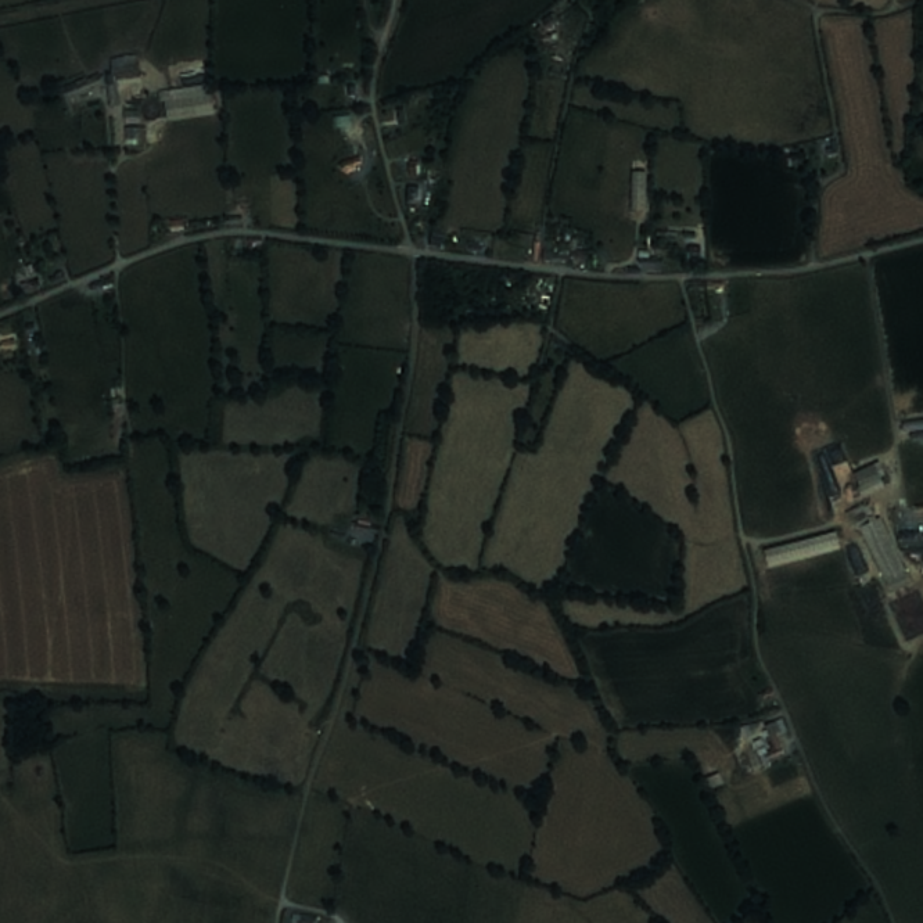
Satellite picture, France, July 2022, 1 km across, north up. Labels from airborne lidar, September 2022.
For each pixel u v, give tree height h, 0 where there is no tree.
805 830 0
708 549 0
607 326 0
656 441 0
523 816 0
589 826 0
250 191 0
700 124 0
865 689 0
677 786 0
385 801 0
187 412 0
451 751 0
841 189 0
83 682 0
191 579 0
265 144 0
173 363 0
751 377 0
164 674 0
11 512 0
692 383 0
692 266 16
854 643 0
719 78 0
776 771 0
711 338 0
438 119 9
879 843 0
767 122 0
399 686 0
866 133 0
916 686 0
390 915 0
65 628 0
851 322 0
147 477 0
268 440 0
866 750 0
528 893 0
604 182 0
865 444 0
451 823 0
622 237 0
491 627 0
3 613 0
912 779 0
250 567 6
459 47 0
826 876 0
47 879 0
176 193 0
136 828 0
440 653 0
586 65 0
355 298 0
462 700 0
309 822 0
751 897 18
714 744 0
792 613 0
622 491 16
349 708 0
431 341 0
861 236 0
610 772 0
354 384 0
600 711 13
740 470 0
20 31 0
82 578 0
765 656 0
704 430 0
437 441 11
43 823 0
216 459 0
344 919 0
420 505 9
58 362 0
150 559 0
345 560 0
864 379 0
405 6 8
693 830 0
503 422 0
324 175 0
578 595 14
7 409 0
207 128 0
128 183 0
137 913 0
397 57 0
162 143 0
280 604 0
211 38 12
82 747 0
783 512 0
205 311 7
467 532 0
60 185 0
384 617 0
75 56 0
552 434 0
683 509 0
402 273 0
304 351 0
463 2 0
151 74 0
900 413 0
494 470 0
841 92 0
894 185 0
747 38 0
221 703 0
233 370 15
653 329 0
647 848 0
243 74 0
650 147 15
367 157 0
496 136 0
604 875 0
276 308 0
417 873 0
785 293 0
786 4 0
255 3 0
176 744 0
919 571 0
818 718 0
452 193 0
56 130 0
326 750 0
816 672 0
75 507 0
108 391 0
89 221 0
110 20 0
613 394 0
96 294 0
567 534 0
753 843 0
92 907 0
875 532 0
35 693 14
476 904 0
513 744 0
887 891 0
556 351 5
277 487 0
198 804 0
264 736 0
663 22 0
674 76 0
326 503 0
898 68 0
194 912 0
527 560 0
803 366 0
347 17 0
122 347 0
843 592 0
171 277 0
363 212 0
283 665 0
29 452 19
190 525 0
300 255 0
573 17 0
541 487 0
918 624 0
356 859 0
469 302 8
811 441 0
